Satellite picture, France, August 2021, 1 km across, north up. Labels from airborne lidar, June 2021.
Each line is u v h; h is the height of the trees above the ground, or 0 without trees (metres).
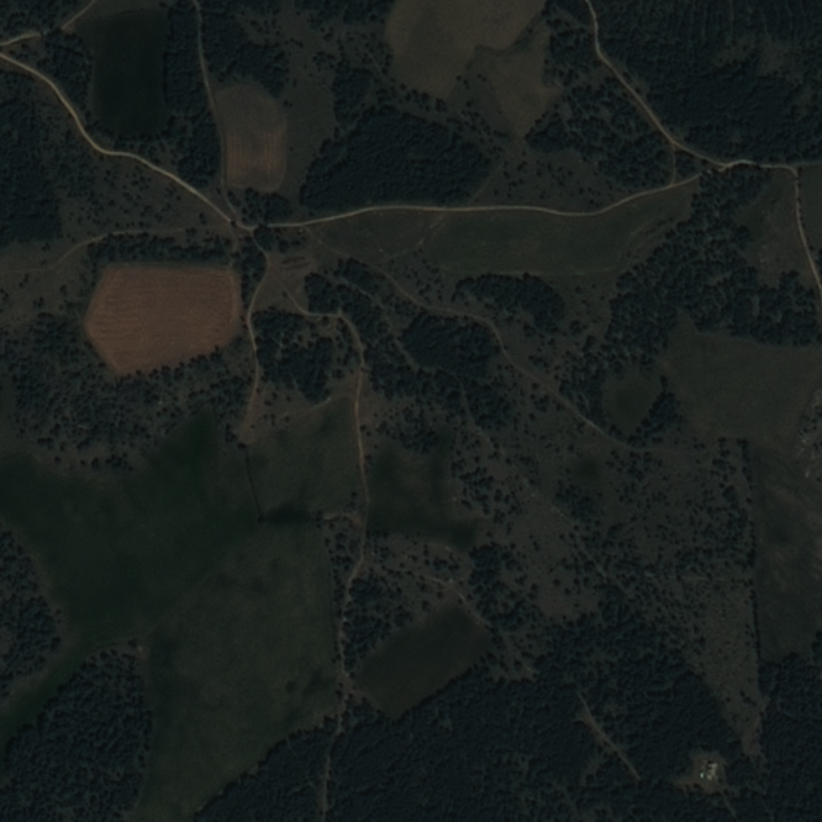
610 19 10
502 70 0
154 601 0
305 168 0
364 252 0
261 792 10
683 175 8
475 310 0
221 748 0
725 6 11
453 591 0
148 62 0
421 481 0
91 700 7
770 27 10
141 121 0
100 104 0
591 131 11
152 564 0
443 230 0
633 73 8
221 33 10
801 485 0
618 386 0
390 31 0
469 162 11
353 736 8
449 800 13
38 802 10
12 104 9
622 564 6
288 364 15
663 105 10
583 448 0
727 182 12
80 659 0
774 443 0
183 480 0
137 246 9
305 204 13
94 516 0
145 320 0
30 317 0
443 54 0
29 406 7
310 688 0
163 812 0
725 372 0
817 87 9
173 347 0
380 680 0
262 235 11
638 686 13
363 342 9
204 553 0
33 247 0
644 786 11
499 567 10
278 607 0
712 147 11
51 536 0
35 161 9
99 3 0
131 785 11
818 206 0
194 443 0
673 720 13
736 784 13
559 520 0
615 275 0
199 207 0
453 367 13
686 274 11
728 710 0
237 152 0
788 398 0
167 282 0
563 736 12
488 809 8
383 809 14
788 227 0
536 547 7
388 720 9
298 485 0
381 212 0
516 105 0
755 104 12
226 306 0
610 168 8
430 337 14
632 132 10
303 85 0
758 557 8
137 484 0
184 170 10
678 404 7
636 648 11
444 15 0
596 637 11
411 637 0
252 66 11
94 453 0
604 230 0
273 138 0
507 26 0
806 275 0
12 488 0
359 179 13
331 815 10
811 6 12
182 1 11
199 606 0
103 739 9
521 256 0
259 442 0
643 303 11
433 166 11
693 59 9
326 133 0
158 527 0
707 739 14
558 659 7
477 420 9
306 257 0
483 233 0
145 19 0
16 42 0
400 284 0
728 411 0
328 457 0
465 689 12
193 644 0
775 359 0
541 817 7
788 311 9
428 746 10
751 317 10
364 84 12
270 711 0
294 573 0
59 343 8
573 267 0
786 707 10
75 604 0
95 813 9
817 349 0
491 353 11
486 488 9
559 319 11
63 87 9
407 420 7
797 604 0
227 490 0
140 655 0
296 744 13
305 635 0
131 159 0
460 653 0
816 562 0
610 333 9
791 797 12
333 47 0
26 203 12
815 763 12
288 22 0
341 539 7
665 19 8
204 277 0
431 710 9
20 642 6
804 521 0
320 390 14
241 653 0
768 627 0
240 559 0
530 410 0
